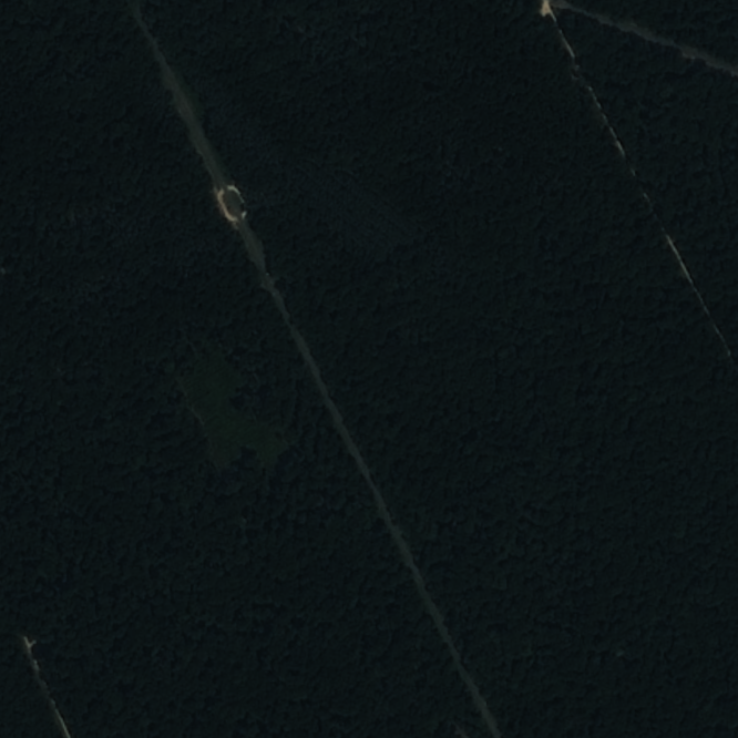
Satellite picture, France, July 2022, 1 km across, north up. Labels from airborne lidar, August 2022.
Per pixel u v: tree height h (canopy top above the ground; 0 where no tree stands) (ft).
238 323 82
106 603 93
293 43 81
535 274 66
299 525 98
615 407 93
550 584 85
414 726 65
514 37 80
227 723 88
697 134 80
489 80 93
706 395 78
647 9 70
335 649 95
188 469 88
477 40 62
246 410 90
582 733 80
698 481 80
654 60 87
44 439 93
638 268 67
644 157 74
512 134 84
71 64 91
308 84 75
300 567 76
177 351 61
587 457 65
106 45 81
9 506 58
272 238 76
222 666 93
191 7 83
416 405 90
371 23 86
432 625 74
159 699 85
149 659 77
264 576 88
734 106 88
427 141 73
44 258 81
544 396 87
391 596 71
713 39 80
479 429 79
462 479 80
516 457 76
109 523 81
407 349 86
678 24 72
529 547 85
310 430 85
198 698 96
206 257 76
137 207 64
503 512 85
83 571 84
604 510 76
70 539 95
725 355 59
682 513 75
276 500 87
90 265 73
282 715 89
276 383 84
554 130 81
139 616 92
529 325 64
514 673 94
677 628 90
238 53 61
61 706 84
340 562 72
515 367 64
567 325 81
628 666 91
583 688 83
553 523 75
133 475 74
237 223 0
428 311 73
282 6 89
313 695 90
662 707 89
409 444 82
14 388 76
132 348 79
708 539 62
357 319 93
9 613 87
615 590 69
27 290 73
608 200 77
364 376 69
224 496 86
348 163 68
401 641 93
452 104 51
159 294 93
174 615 47
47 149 97
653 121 88
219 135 62
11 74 79
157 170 78
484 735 82
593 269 87
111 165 84
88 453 97
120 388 83
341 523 56
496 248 70
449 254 71
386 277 83
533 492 75
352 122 83
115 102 81
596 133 80
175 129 78
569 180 87
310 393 79
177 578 94
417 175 70
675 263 73
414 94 77
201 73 59
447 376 84
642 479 75
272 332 66
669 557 79
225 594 88
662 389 70
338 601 87
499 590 54
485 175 91
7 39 76
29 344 80
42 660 90
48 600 94
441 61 62
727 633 69
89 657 94
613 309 66
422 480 61
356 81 87
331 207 49
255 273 75
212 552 96
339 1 78
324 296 81
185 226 63
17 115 78
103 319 74
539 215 68
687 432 77
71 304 69
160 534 104
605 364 65
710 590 86
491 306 80
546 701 44
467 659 76
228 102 64
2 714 94
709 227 73
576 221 72
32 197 74
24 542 94
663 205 83
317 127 73
